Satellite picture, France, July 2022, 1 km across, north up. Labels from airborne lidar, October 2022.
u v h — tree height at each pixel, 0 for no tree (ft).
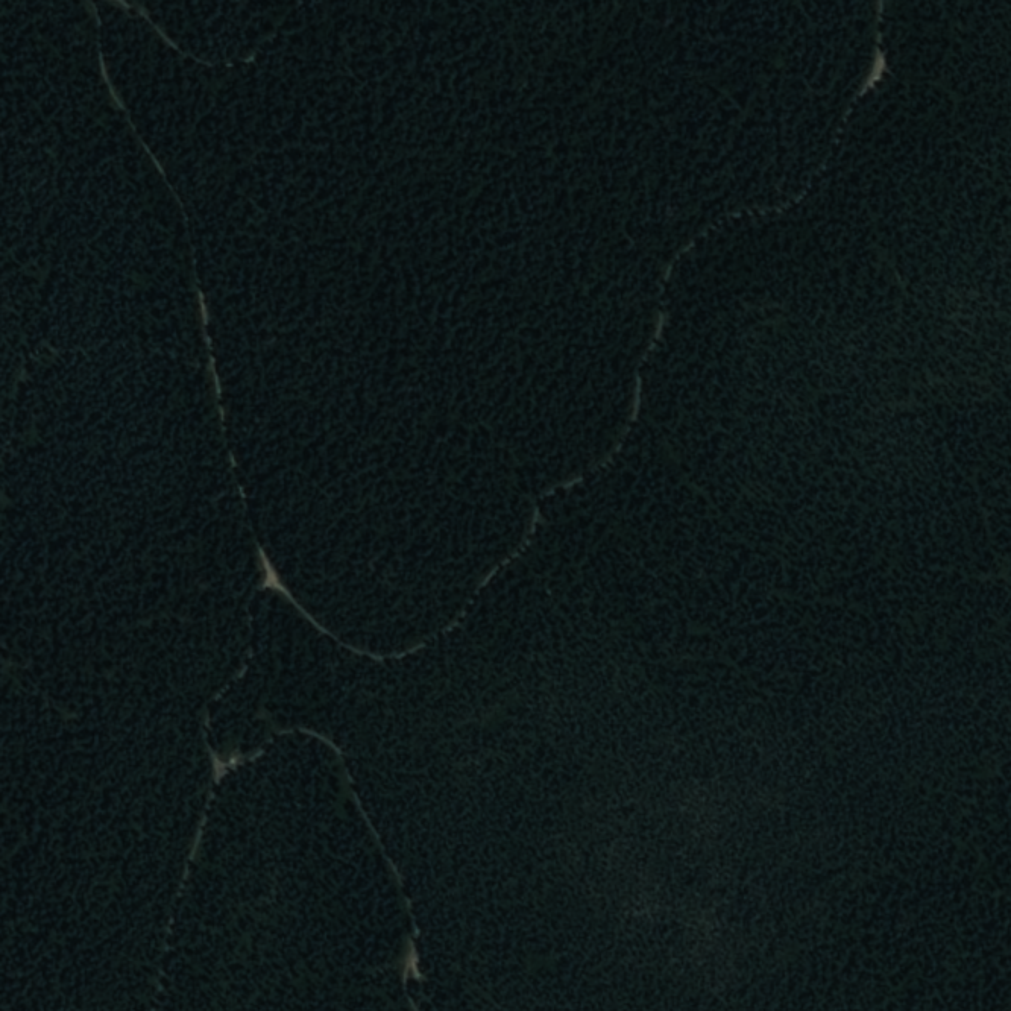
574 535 63
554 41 78
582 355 72
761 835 47
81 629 75
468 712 55
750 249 23
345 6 68
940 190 21
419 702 36
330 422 68
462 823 59
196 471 24
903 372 20
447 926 93
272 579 0
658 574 62
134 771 66
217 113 62
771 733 28
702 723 66
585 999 39
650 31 35
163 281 91
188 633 39
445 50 65
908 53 40
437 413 28
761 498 43
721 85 32
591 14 69
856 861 57
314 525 26
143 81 56
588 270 66
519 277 80
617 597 30
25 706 93
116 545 73
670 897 22
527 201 42
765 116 72
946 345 54
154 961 60
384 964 85
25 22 77
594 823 32
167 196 54
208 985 91
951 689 49
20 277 32
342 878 73
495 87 22
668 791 43
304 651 20
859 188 79
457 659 43
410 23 51
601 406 61
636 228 65
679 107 50
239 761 0
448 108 51
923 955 44
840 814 75
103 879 75
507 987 56
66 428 83
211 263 73
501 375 57
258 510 102
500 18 27
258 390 25
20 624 77
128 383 60
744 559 25
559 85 45
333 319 49
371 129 72
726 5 34
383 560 26
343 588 38
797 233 20
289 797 49
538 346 43
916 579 27
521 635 35
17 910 86
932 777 42
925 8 47
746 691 22
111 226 81
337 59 64
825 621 39
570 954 56
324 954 28
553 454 67
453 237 88
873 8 27
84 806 79
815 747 71
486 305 65
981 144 32
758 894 34
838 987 46
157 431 61
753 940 37
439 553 63
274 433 57
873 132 44
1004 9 51
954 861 42
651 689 50
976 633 52
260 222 87
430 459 54
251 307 76
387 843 58
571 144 34
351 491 71
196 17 62
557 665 62
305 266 64
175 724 55
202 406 60
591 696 54
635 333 64
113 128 18
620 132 67
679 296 59
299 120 79
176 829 49
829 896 52
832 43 80
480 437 50
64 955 84
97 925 74
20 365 65
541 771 64
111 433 94
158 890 75
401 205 69
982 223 50
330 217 88
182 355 97
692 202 57
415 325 62
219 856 77
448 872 55
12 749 74
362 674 36
